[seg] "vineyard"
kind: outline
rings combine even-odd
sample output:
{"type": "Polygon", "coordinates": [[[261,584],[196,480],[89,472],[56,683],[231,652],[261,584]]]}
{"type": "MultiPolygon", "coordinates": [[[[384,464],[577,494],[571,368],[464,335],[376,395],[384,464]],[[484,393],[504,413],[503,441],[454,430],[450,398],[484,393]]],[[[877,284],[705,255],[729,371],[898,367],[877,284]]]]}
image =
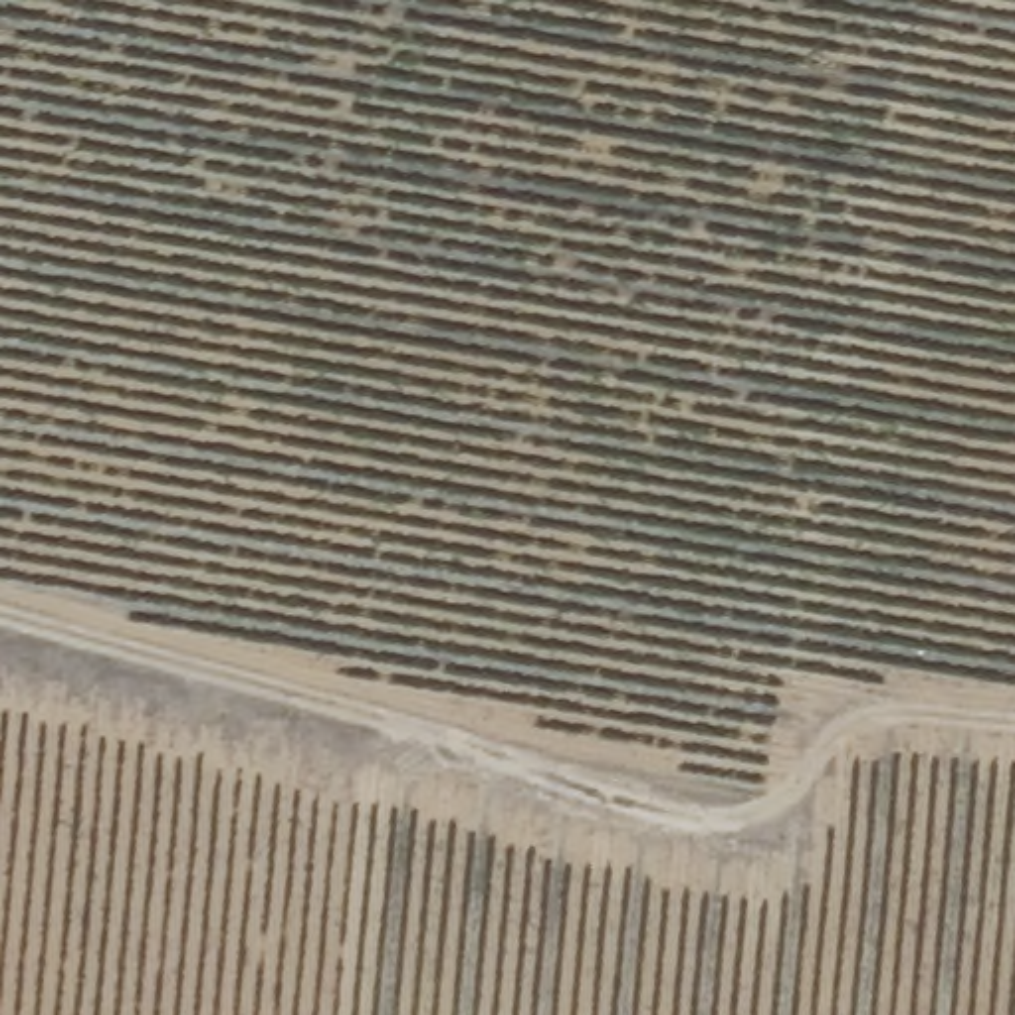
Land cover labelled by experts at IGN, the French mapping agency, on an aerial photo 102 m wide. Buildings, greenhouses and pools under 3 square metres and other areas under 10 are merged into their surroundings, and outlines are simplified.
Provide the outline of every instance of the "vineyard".
{"type": "Polygon", "coordinates": [[[781,892],[777,912],[769,912],[765,904],[749,912],[749,900],[741,900],[741,920],[730,916],[730,896],[722,892],[702,892],[702,908],[690,908],[690,892],[666,888],[662,900],[650,904],[646,872],[547,860],[535,848],[500,845],[496,837],[468,833],[456,821],[448,821],[448,833],[436,837],[436,821],[420,821],[416,809],[357,805],[349,809],[349,833],[337,833],[337,805],[321,813],[321,801],[313,801],[309,817],[301,817],[297,789],[293,805],[282,805],[278,785],[270,805],[262,805],[262,777],[234,781],[218,773],[210,797],[202,797],[202,753],[182,761],[155,761],[139,741],[135,761],[127,761],[127,741],[103,737],[95,765],[87,765],[91,726],[40,726],[36,745],[28,745],[28,714],[20,718],[20,726],[8,726],[8,710],[0,714],[0,1015],[1015,1015],[1015,761],[991,761],[987,785],[979,785],[979,761],[959,757],[932,757],[928,777],[920,777],[920,753],[852,761],[845,817],[845,880],[833,880],[837,833],[825,829],[821,884],[781,892]]]}
{"type": "Polygon", "coordinates": [[[765,666],[848,678],[868,686],[884,682],[892,666],[1015,686],[1015,0],[0,0],[0,579],[119,599],[131,622],[329,654],[345,678],[531,706],[535,726],[555,733],[714,753],[761,765],[769,753],[769,737],[757,733],[757,726],[777,722],[781,694],[781,678],[765,674],[765,666]]]}

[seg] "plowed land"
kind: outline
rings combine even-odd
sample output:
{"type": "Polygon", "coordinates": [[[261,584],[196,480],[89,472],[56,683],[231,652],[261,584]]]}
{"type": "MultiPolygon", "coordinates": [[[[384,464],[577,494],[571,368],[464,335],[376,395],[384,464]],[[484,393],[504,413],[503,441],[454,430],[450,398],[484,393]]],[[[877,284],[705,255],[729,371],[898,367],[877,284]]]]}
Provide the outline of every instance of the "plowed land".
{"type": "Polygon", "coordinates": [[[218,773],[234,781],[262,777],[262,805],[270,805],[278,785],[282,805],[293,805],[297,789],[301,817],[309,817],[313,801],[321,801],[321,813],[337,805],[337,833],[349,833],[349,809],[357,805],[357,773],[365,765],[381,773],[396,769],[396,741],[369,726],[305,714],[222,686],[182,682],[163,670],[115,662],[107,654],[75,650],[63,642],[0,630],[0,714],[8,710],[8,726],[20,726],[20,718],[28,714],[28,745],[36,745],[40,726],[91,726],[87,765],[95,765],[103,737],[127,741],[127,761],[135,761],[139,741],[155,761],[182,761],[202,753],[202,797],[210,797],[218,773]]]}

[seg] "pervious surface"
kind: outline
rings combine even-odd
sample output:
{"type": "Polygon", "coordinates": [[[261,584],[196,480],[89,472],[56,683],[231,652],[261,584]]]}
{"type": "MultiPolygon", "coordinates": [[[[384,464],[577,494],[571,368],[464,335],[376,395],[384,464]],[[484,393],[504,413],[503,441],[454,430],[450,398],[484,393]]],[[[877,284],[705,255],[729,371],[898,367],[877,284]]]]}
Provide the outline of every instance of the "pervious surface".
{"type": "Polygon", "coordinates": [[[781,694],[777,722],[757,726],[757,733],[769,737],[769,753],[761,765],[714,753],[555,733],[535,726],[531,706],[345,678],[329,654],[131,622],[119,599],[0,579],[0,630],[63,642],[75,650],[107,654],[115,662],[163,670],[182,682],[222,686],[305,714],[369,726],[396,741],[396,769],[381,773],[365,765],[357,773],[357,805],[416,809],[420,821],[436,821],[436,837],[448,833],[448,821],[456,821],[468,833],[496,837],[500,845],[535,848],[547,860],[646,872],[650,904],[662,900],[666,888],[690,892],[690,908],[702,908],[702,892],[722,892],[730,896],[730,916],[741,920],[741,900],[749,900],[749,912],[765,904],[769,912],[777,912],[781,892],[821,884],[825,829],[837,833],[833,880],[845,880],[845,817],[852,761],[920,753],[920,777],[928,777],[932,757],[959,757],[979,761],[979,785],[987,785],[991,761],[1015,761],[1015,686],[892,666],[884,682],[868,686],[848,678],[765,666],[765,674],[781,678],[781,694]]]}

